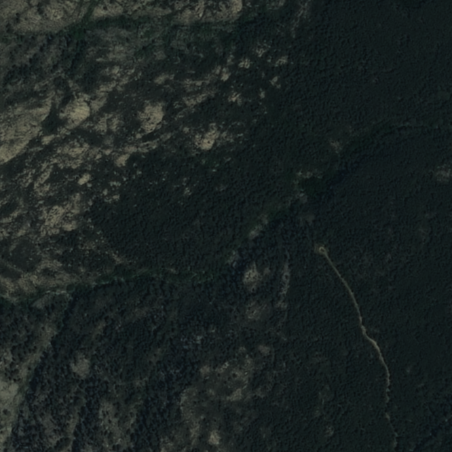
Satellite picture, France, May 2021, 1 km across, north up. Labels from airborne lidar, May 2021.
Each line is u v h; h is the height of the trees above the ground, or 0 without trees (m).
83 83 8
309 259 11
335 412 8
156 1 6
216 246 18
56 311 18
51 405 25
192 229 18
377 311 16
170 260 15
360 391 16
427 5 21
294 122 7
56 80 8
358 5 19
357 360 15
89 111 0
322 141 6
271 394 11
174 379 17
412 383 16
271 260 14
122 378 15
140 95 0
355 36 21
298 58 15
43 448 15
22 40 14
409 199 16
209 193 16
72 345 9
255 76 13
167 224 16
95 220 13
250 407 10
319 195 16
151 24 6
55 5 0
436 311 15
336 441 18
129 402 20
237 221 20
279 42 13
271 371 13
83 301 22
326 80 17
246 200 22
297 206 21
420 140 20
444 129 19
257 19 16
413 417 18
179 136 8
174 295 20
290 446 16
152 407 20
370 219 15
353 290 8
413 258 15
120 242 13
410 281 15
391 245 14
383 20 20
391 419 9
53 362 7
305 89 18
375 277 12
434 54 18
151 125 0
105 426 9
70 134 7
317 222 16
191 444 7
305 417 14
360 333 13
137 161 10
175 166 10
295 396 15
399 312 20
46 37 7
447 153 16
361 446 17
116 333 13
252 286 0
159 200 12
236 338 12
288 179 11
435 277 15
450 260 13
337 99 18
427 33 23
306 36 5
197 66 10
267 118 10
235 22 9
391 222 11
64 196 0
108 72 0
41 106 7
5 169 0
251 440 11
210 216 21
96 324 14
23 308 13
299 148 13
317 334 13
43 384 19
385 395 18
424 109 17
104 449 15
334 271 17
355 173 15
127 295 12
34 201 0
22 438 13
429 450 19
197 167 13
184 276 14
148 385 11
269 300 19
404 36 17
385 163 15
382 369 13
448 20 23
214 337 21
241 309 18
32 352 18
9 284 0
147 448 7
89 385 19
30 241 0
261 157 12
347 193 14
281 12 6
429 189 16
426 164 16
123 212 14
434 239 15
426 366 16
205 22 7
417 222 13
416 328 13
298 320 14
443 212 13
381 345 13
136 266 7
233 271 22
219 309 19
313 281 13
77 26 7
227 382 9
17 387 0
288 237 19
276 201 7
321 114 17
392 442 24
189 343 14
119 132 0
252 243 22
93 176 7
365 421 20
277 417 17
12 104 10
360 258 12
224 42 8
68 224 0
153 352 11
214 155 11
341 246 10
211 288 18
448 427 15
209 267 17
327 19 20
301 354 14
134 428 12
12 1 0
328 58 16
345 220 16
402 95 16
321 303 16
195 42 6
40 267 0
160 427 14
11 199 0
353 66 22
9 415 22
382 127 14
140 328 13
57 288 11
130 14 14
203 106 15
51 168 0
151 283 19
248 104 15
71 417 14
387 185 16
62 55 11
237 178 16
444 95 22
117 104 0
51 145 0
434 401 25
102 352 22
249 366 0
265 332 8
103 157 0
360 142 10
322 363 10
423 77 14
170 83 0
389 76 17
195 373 13
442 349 18
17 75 6
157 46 8
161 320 26
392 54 19
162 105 0
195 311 9
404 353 18
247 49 7
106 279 14
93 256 10
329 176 18
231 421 13
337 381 13
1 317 18
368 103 18
